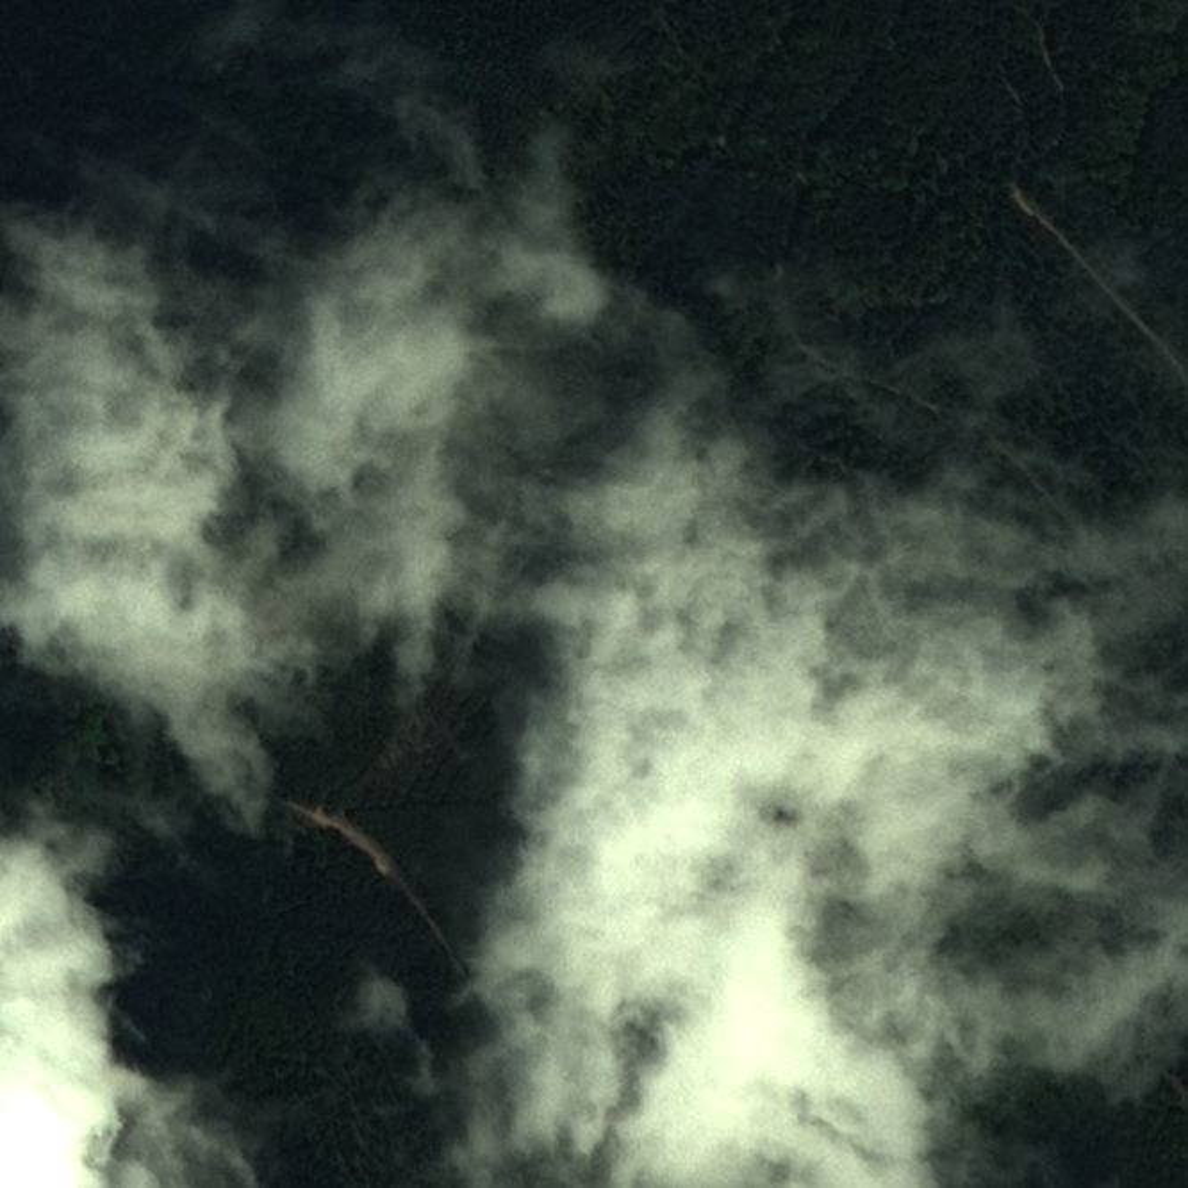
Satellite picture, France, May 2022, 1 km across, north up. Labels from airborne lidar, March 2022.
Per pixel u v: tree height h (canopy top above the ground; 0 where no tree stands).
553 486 18
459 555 13
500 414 7
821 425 32
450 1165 6
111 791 32
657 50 20
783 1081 17
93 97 20
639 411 16
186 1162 12
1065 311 27
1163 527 11
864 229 23
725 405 13
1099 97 27
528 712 17
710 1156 15
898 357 19
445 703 13
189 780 12
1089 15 26
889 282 19
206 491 25
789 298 18
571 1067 8
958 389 14
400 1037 17
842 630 17
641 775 16
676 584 17
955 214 22
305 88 12
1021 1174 14
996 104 28
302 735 15
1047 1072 14
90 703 9
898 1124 25
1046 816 25
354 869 18
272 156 14
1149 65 22
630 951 17
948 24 23
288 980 17
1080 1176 12
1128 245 12
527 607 22
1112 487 27
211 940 16
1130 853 25
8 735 16
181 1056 16
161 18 16
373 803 12
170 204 13
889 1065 22
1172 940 7
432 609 14
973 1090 12
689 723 22
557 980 11
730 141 24
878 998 17
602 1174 8
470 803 17
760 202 22
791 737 19
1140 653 17
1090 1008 9
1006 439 9
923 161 17
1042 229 12
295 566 21
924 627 21
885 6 16
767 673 15
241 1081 15
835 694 19
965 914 17
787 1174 23
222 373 22
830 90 21
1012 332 26
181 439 19
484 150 17
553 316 23
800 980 12
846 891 16
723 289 28
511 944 14
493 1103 12
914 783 21
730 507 16
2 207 19
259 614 13
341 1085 33
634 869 14
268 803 16
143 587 20
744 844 18
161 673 23
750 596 21
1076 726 23
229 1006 13
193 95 15
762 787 17
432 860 16
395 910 16
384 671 17
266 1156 20
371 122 18
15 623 20
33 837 14
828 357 18
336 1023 16
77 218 24
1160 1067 8
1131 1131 11
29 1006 33
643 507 18
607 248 16
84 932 14
